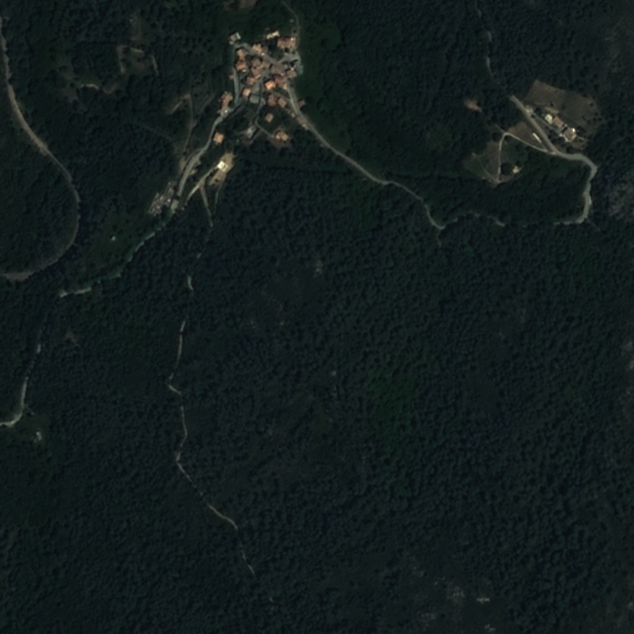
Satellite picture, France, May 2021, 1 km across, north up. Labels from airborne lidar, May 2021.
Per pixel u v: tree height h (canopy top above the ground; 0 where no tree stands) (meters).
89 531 19
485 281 19
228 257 9
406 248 20
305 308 7
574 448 21
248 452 20
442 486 28
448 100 14
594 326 21
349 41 16
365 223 17
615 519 6
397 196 15
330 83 13
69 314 8
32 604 12
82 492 11
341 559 12
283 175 17
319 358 18
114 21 13
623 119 23
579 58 23
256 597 20
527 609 31
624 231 8
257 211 17
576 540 26
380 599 6
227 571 18
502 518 6
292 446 15
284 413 8
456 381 20
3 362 10
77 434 14
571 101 0
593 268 11
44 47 25
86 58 7
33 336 16
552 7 15
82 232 6
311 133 13
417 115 13
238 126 12
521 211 11
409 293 18
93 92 15
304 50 0
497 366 17
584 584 14
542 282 18
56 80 20
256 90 0
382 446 13
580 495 30
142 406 18
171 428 6
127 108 21
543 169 7
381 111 13
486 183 12
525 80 20
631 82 7
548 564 36
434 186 16
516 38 18
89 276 7
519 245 20
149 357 8
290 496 20
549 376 22
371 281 13
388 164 15
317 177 17
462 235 23
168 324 8
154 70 9
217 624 25
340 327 25
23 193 9
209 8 15
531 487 25
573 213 12
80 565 25
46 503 27
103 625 22
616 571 12
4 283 14
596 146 19
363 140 16
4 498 17
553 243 11
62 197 14
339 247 18
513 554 14
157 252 16
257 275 6
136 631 23
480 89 22
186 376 7
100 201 18
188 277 8
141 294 15
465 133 12
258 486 25
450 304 24
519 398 16
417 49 16
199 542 9
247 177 19
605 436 18
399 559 21
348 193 16
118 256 11
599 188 10
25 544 26
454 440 25
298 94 0
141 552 16
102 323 14
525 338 18
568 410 9
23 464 25
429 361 17
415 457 14
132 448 17
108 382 8
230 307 16
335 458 6
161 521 9
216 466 24
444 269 17
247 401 23
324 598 23
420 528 22
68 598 19
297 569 19
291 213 19
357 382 25
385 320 14
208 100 0
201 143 0
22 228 15
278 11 6
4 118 12
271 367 22
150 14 12
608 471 20
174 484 7
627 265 7
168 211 17
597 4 19
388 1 21
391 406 18
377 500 19
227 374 22
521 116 23
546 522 25
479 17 8
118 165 14
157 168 19
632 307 7
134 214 21
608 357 10
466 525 13
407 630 25
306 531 19
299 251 22
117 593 18
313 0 15
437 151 8
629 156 7
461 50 13
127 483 17
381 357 27
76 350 11
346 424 20
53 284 17
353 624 6
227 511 19
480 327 21
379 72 13
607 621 9
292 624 25
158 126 14
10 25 17
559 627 29
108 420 20
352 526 21
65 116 26
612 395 7
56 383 22
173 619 20
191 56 17
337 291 8
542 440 22
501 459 26
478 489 23
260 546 16
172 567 14
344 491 23
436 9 10
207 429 7
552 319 26
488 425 19
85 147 24
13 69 14
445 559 10
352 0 21
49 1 25
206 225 7
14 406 19
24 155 9
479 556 12
